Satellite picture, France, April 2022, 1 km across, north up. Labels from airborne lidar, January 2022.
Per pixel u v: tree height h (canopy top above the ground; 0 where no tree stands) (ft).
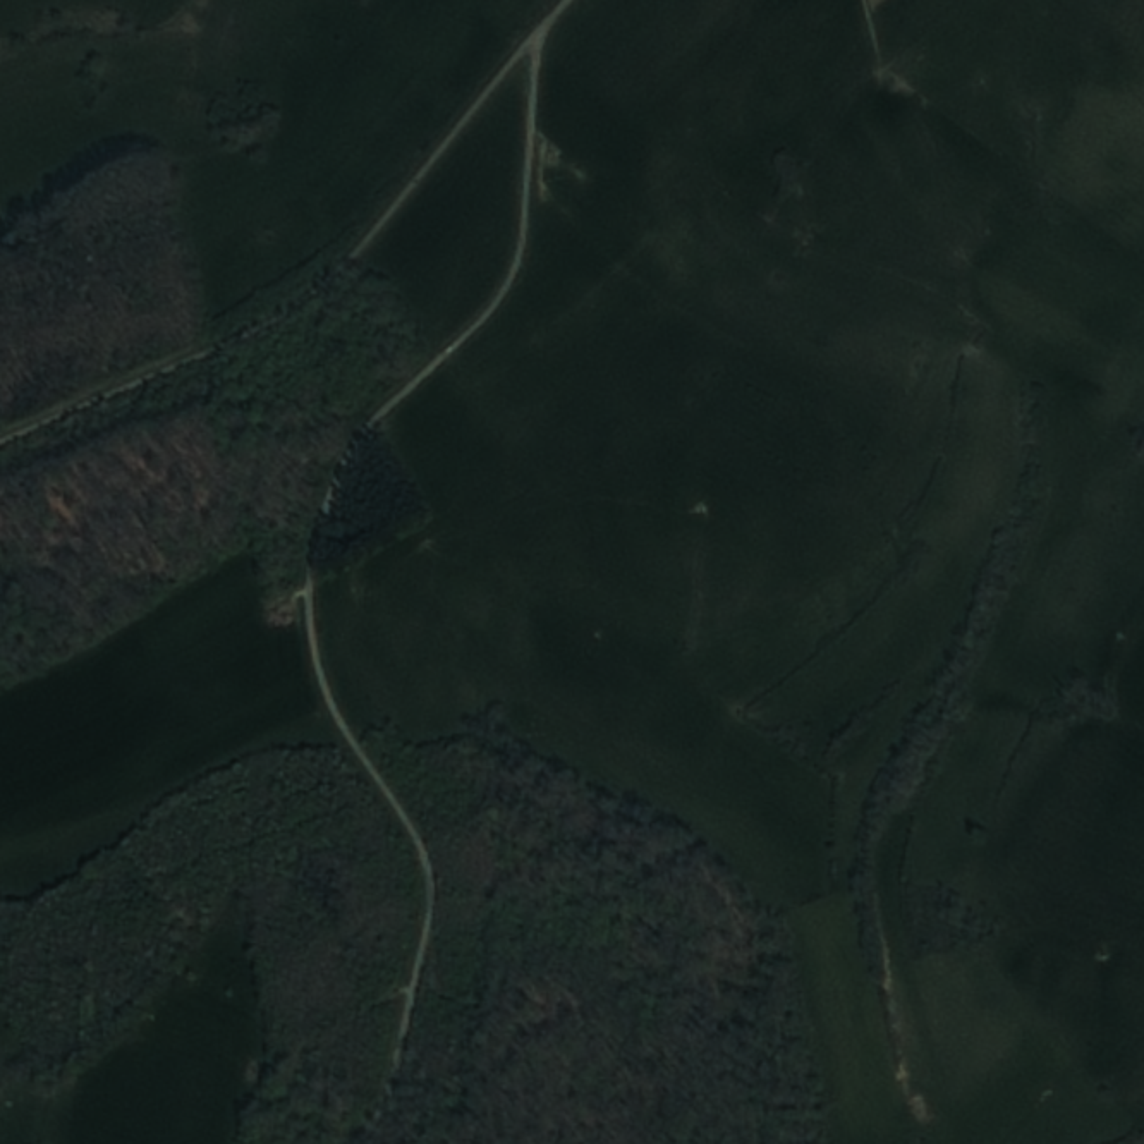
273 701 0
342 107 0
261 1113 69
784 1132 99
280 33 0
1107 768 0
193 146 0
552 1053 98
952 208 0
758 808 0
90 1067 42
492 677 0
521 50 0
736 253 0
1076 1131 0
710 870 107
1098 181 0
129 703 0
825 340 0
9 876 0
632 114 0
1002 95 0
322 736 0
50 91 0
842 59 0
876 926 57
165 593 86
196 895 39
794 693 0
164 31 0
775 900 0
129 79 0
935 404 0
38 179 0
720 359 0
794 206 0
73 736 0
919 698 0
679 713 0
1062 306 0
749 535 0
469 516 0
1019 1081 0
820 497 0
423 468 0
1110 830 0
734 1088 117
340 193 0
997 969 0
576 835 89
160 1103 0
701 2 0
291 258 0
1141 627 0
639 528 0
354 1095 80
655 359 0
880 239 0
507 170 0
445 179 0
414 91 0
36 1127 0
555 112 0
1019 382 0
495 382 0
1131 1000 0
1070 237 0
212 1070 0
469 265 0
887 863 0
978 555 0
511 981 58
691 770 0
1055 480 0
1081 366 0
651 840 106
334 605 0
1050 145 0
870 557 0
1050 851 0
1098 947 0
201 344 53
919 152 0
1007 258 0
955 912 59
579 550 0
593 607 0
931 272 0
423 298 0
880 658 0
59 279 78
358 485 73
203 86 0
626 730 0
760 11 0
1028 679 0
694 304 0
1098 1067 0
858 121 0
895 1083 0
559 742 0
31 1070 70
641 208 0
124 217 88
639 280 0
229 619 0
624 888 98
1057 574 0
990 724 0
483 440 0
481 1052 79
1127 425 0
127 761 0
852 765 0
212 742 0
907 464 0
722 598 0
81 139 0
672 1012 98
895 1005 0
